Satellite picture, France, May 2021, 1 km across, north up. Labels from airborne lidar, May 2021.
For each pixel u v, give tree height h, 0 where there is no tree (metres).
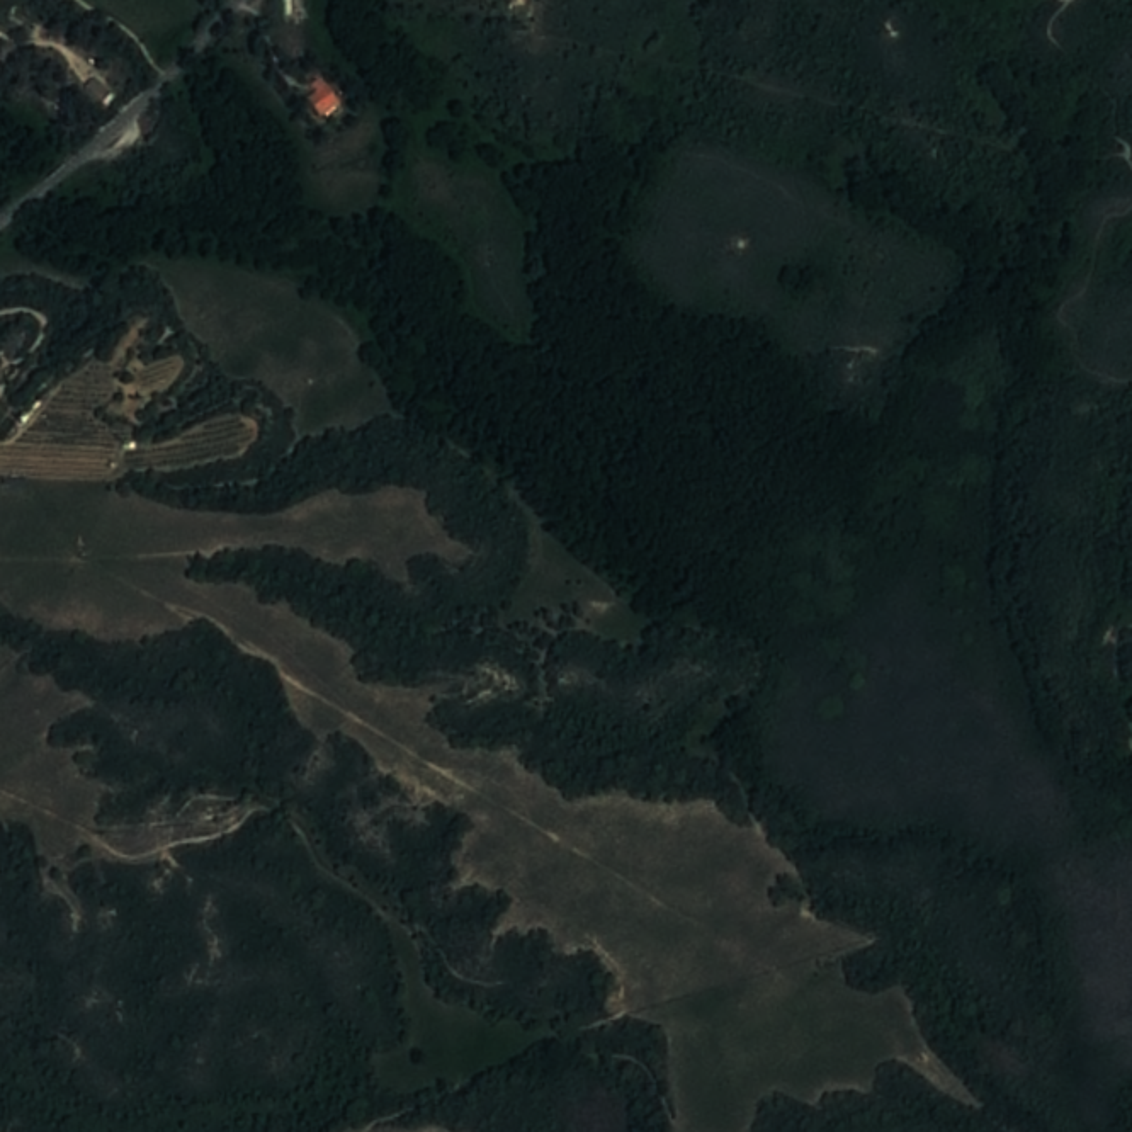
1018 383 12
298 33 0
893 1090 7
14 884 6
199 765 6
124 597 0
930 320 14
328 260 12
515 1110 8
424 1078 0
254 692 7
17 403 11
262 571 10
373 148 7
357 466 6
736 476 23
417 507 0
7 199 11
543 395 25
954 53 6
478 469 15
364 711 0
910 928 9
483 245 0
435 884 7
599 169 21
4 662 0
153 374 0
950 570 7
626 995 0
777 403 21
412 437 11
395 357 14
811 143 6
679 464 29
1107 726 8
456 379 22
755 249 0
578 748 12
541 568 0
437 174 0
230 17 27
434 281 22
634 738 9
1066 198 19
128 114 0
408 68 19
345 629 7
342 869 9
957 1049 9
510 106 6
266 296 0
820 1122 10
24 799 0
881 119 9
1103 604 8
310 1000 11
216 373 8
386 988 8
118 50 8
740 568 9
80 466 0
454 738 11
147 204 21
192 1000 5
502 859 0
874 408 14
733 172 0
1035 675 10
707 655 7
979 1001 11
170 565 0
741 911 0
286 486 6
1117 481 5
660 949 0
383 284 21
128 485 9
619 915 0
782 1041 0
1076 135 8
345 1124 10
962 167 10
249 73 0
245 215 21
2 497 0
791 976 0
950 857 8
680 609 22
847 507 8
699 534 9
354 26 24
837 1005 0
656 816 0
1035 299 13
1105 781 16
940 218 19
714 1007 0
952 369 7
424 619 8
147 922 7
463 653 7
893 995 0
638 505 27
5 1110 9
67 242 20
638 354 22
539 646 10
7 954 6
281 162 17
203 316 0
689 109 7
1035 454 9
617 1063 7
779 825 7
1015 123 18
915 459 6
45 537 0
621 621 0
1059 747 11
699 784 7
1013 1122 8
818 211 0
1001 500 11
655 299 14
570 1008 11
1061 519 5
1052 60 6
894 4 10
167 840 0
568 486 14
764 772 14
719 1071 0
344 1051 13
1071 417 5
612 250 10
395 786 6
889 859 6
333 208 0
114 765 5
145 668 6
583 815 0
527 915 0
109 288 18
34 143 21
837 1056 0
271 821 7
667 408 30
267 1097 11
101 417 9
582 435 28
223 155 20
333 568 5
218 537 0
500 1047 0
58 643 7
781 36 8
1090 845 6
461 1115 6
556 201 23
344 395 0
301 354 0
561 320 24
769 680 9
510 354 25
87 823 0
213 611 0
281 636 0
